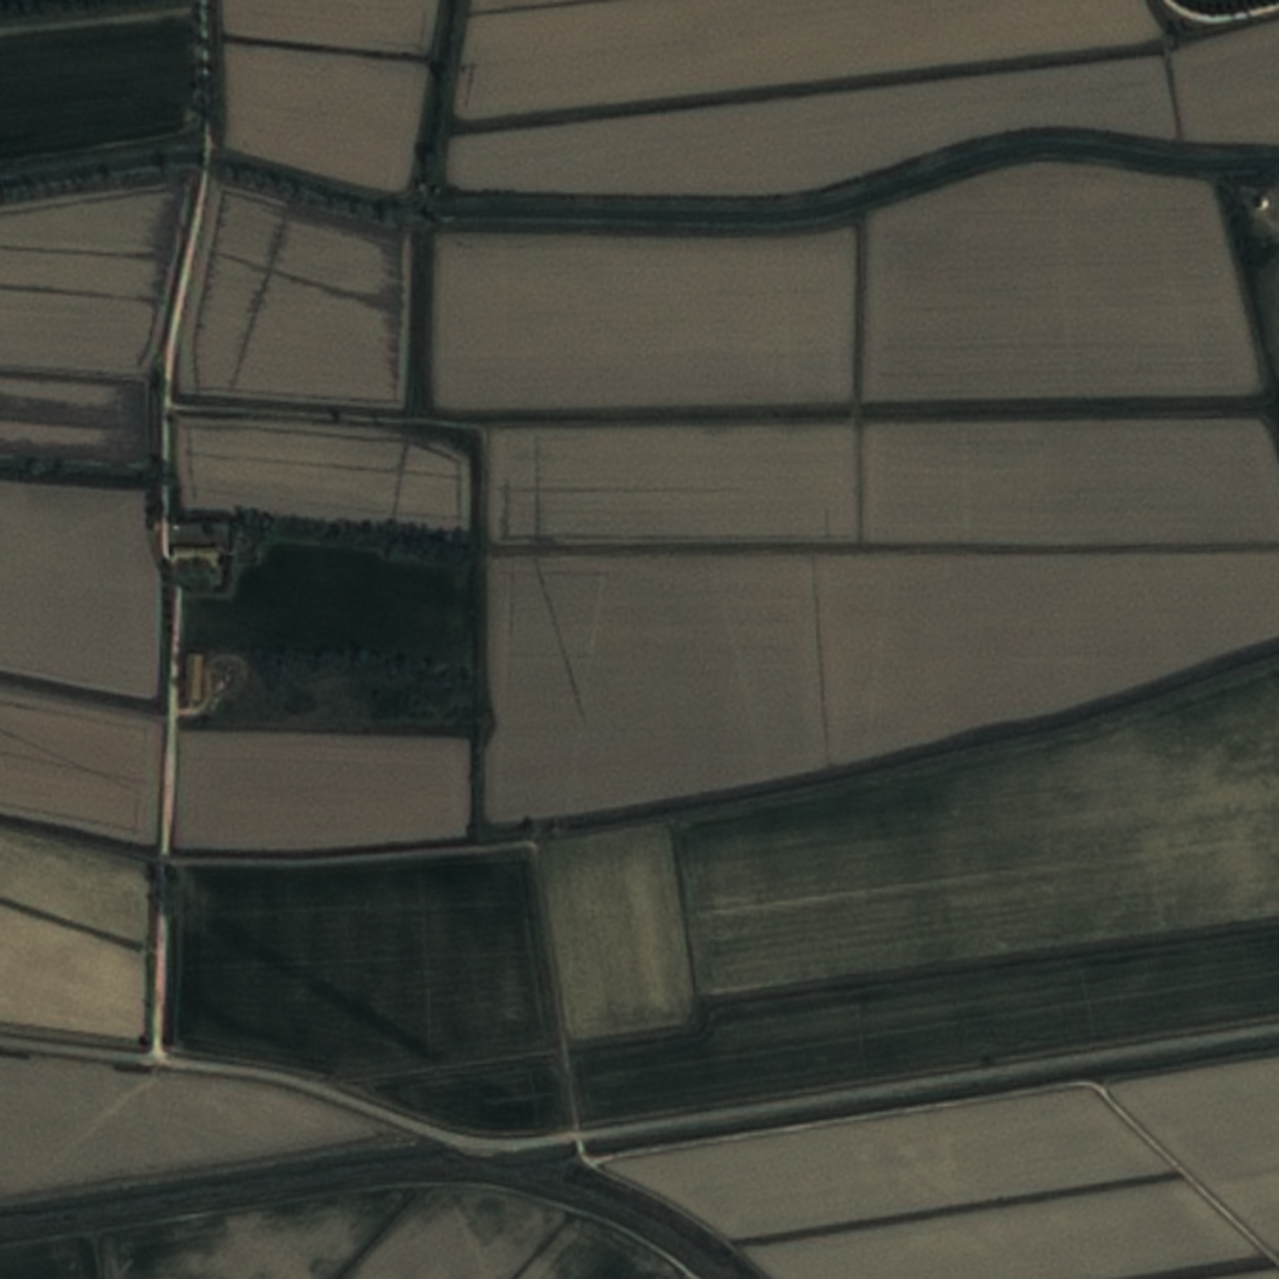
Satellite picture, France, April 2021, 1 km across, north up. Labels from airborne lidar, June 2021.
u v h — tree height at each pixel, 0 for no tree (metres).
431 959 0
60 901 0
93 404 0
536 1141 0
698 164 0
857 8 0
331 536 8
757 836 0
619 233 0
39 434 0
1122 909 0
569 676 0
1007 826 0
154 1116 0
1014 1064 0
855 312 0
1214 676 0
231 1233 0
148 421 0
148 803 0
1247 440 0
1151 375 0
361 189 0
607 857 0
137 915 0
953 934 0
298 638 0
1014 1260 0
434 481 0
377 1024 0
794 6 0
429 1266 0
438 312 0
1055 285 0
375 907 0
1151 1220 0
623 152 0
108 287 0
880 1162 0
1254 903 0
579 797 0
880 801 0
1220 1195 0
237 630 0
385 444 0
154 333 0
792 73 0
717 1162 0
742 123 0
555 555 0
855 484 0
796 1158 0
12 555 0
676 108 0
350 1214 0
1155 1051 0
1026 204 0
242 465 0
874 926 0
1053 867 0
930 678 0
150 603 0
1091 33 0
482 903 0
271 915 0
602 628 0
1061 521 0
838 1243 0
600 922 0
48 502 0
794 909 0
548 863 0
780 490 0
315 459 0
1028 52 0
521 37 0
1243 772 0
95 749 0
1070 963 0
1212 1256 0
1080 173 0
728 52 0
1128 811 0
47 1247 0
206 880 0
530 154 0
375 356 0
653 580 0
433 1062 0
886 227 0
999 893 0
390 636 0
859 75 0
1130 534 0
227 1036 0
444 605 0
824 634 0
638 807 0
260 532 10
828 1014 0
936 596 0
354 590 0
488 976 0
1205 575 0
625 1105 0
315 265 0
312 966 0
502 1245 0
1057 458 0
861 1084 0
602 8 0
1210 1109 0
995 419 0
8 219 0
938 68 0
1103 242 0
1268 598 0
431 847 6
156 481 6
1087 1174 0
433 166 18
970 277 0
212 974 0
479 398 0
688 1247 0
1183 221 0
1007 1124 0
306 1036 0
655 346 0
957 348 0
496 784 0
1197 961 0
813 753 0
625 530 0
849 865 0
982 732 0
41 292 0
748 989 0
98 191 19
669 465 0
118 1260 0
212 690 0
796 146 0
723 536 0
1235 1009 0
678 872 0
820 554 0
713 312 0
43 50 0
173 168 18
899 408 0
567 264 0
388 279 0
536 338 0
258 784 0
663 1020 0
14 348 0
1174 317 0
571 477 0
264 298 0
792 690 0
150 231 0
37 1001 0
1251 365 0
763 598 0
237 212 0
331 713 0
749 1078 0
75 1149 0
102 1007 0
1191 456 0
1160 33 0
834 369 0
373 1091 0
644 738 0
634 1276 0
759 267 0
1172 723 0
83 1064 0
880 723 0
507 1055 0
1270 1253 0
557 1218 0
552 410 0
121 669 0
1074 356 0
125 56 0
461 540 12
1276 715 0
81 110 0
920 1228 0
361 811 0
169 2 25
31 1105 0
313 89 0
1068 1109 0
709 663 0
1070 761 0
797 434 0
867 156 0
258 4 0
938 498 0
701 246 0
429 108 0
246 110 0
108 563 0
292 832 0
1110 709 0
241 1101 0
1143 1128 0
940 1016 0
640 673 0
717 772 0
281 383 0
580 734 0
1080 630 0
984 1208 0
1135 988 0
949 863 0
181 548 0
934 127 0
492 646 0
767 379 0
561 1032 0
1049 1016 0
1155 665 0
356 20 0
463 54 0
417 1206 0
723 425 0
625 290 0
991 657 0
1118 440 0
